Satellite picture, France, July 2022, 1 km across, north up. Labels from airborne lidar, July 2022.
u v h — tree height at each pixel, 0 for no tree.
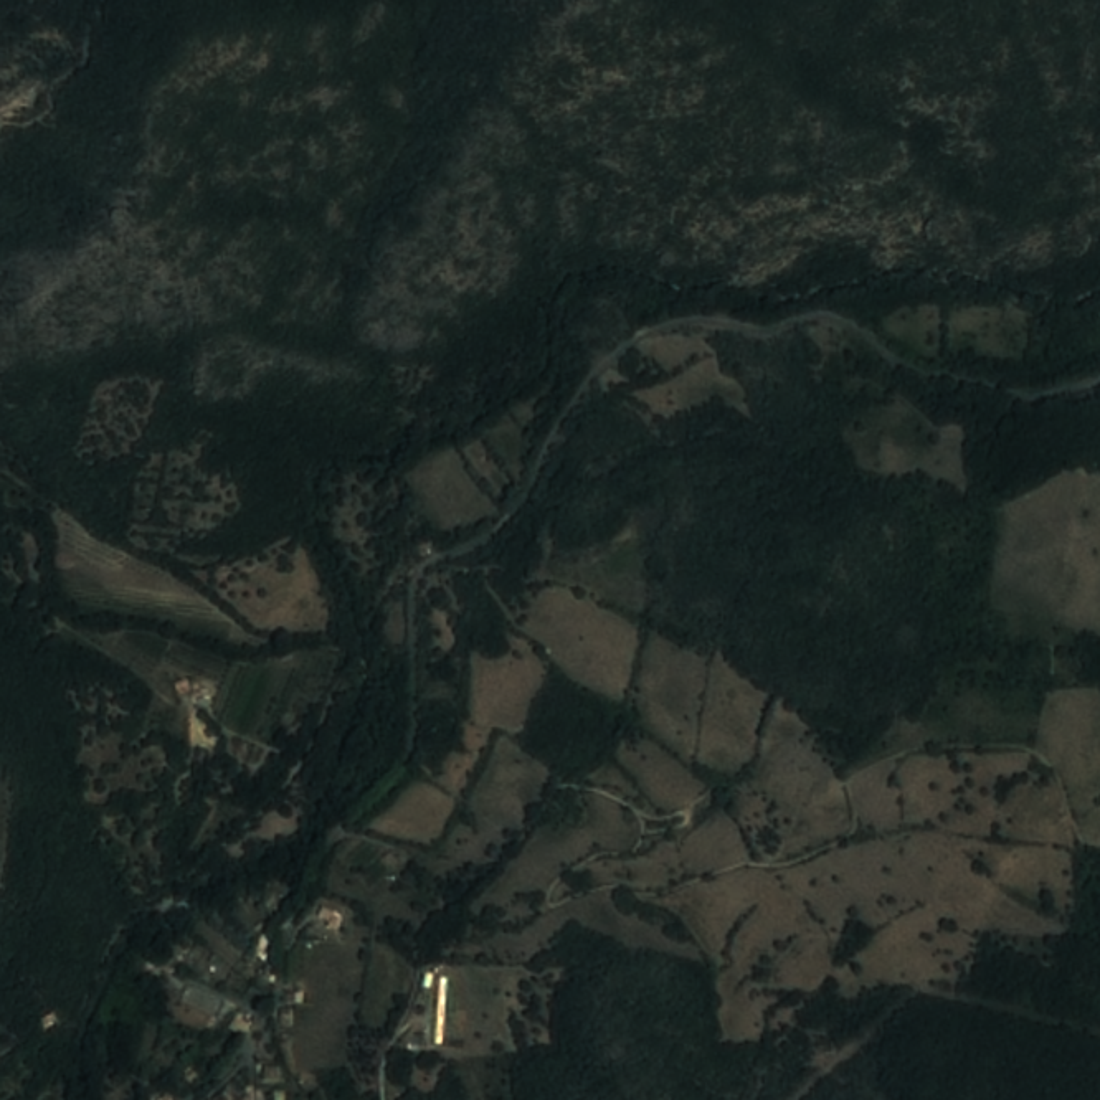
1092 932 6
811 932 0
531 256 7
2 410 7
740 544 6
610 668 0
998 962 11
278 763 12
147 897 8
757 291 8
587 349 6
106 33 7
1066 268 9
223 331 7
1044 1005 11
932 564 7
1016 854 0
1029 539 0
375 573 9
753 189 6
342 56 6
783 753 0
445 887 9
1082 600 0
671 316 12
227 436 7
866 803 0
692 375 0
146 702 10
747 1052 10
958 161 7
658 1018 6
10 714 11
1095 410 12
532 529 9
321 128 7
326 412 9
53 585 15
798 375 5
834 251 7
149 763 8
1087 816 0
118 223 0
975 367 14
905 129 6
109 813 16
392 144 7
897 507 10
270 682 0
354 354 8
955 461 0
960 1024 8
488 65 5
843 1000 5
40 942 15
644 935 0
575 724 6
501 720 0
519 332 7
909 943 0
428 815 0
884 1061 9
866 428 8
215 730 8
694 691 0
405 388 8
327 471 18
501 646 11
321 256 6
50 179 7
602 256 11
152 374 6
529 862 0
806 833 0
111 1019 6
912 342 0
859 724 6
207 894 20
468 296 7
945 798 0
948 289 8
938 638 8
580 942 7
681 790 0
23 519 10
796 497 6
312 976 0
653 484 7
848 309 10
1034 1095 9
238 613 7
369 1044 7
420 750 11
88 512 7
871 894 0
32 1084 11
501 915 9
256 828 7
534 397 7
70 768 10
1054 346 9
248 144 6
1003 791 8
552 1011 8
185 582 10
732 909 0
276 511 10
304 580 0
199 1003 0
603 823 0
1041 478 14
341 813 12
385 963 0
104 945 14
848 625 5
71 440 5
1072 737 0
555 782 9
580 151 7
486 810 0
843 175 7
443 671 8
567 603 0
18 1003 12
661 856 0
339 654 7
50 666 14
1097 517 0
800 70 6
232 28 5
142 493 8
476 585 8
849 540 8
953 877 0
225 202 7
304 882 17
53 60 6
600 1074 6
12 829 6
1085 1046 12
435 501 0
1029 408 20
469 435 18
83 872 8
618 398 9
